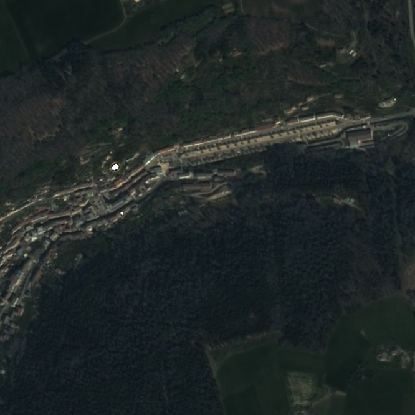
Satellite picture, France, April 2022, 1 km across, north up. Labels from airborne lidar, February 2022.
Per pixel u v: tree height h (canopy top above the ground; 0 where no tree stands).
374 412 0
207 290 19
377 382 0
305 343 28
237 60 0
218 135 0
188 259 15
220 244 17
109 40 0
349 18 28
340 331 0
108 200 0
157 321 23
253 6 0
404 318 0
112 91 24
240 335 20
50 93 29
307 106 0
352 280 26
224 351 0
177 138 21
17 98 25
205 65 17
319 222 28
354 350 0
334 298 28
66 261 0
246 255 19
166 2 0
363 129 0
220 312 17
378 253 31
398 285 27
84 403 21
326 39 9
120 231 7
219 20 17
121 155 9
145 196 0
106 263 23
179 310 26
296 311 13
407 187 19
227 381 0
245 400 0
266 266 19
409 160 0
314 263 29
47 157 34
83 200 0
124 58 23
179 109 26
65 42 0
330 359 0
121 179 0
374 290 30
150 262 27
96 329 20
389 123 7
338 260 25
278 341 0
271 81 0
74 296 28
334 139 0
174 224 32
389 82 12
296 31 14
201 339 21
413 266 0
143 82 25
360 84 19
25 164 34
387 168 19
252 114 20
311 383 0
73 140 36
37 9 0
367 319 0
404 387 0
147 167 0
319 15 0
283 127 0
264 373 0
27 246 0
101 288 16
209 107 24
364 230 28
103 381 17
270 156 8
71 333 22
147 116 36
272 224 9
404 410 0
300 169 24
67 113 31
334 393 0
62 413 26
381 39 13
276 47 30
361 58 0
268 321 19
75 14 0
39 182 12
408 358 0
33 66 0
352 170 29
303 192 24
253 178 17
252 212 33
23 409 21
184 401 25
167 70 32
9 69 0
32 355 25
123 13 0
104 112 28
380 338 0
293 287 18
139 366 20
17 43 0
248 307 18
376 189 26
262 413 0
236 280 16
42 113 32
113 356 30
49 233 0
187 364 27
